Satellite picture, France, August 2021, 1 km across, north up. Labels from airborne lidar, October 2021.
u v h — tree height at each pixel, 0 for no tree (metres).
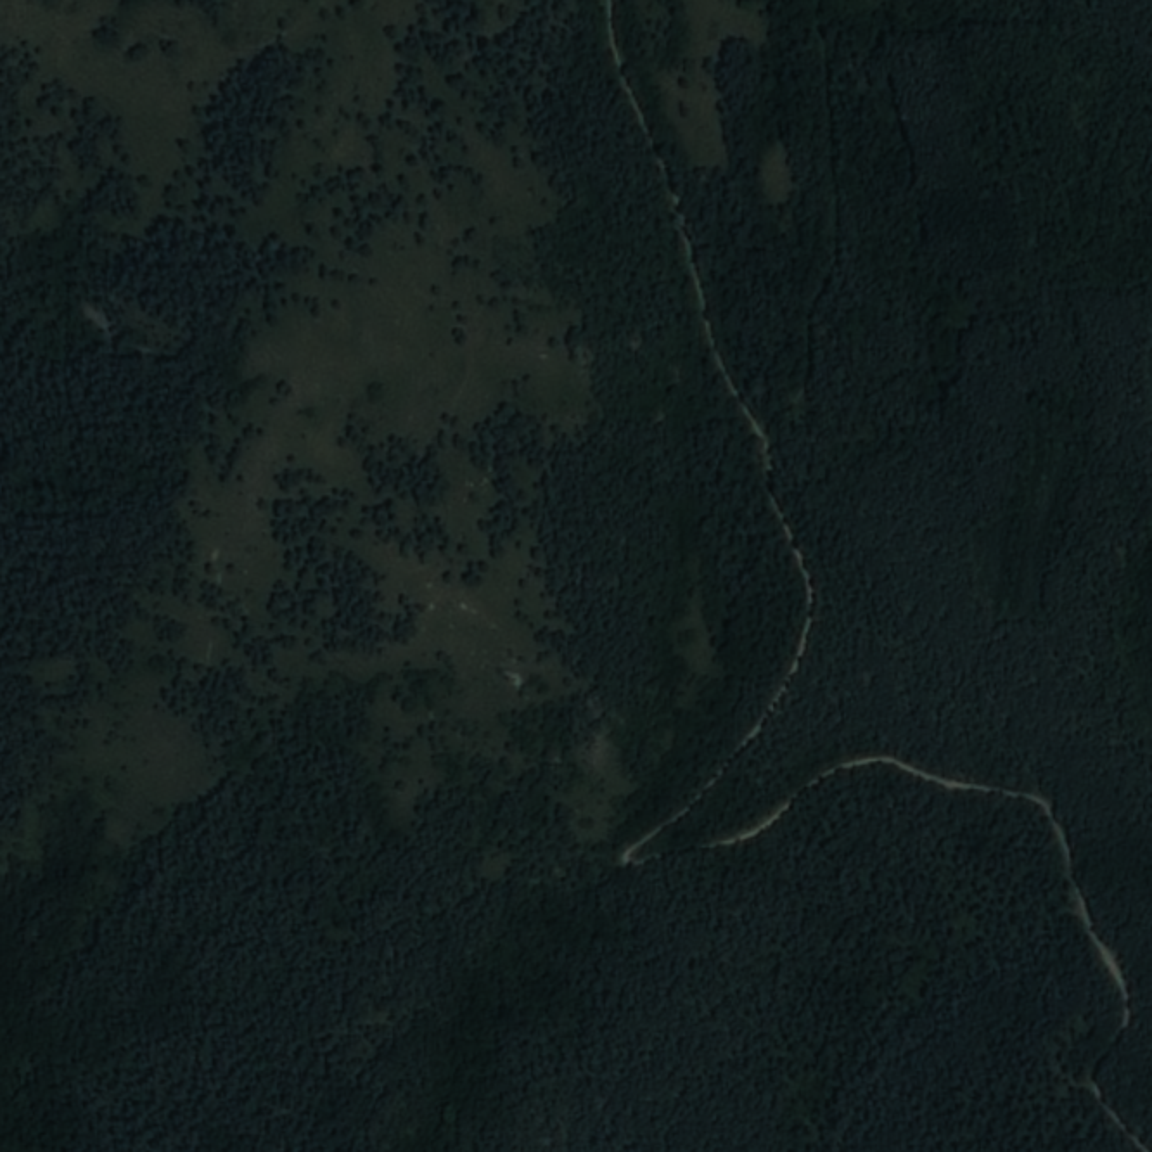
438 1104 9
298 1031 15
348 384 0
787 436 16
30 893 9
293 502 8
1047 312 17
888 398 17
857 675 12
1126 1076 18
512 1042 18
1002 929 14
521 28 8
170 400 14
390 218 7
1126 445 14
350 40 0
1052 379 17
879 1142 12
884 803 15
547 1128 9
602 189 10
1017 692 10
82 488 7
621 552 13
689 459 12
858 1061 10
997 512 17
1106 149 13
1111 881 19
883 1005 8
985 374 19
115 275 6
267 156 9
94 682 8
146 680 0
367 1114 14
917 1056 12
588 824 6
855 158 16
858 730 11
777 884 12
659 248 11
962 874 9
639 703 11
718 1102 16
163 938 15
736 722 14
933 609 14
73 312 9
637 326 11
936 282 23
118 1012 7
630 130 17
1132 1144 7
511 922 13
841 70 16
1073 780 13
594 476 8
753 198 12
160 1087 9
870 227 17
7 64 7
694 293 6
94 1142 11
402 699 9
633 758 8
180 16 0
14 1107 7
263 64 12
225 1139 9
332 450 0
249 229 0
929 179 25
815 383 14
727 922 15
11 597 13
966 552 14
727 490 17
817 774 9
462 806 9
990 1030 10
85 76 0
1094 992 8
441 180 10
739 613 9
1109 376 16
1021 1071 10
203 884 11
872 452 12
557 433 11
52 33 0
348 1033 8
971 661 12
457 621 0
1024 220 14
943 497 19
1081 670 13
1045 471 8
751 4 9
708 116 0
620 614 14
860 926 11
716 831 12
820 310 13
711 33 0
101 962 10
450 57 14
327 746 6
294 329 0
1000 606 6
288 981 6
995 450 16
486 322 0
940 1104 11
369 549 0
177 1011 7
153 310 10
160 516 11
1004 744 10
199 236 11
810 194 11
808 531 13
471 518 0
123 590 9
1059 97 16
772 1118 16
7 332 5
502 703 0
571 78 13
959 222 20
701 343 7
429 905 16
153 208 0
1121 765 15
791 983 9
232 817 17
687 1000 17
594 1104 11
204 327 10
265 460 0
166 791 0
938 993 14
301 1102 16
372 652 8
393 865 12
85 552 11
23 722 11
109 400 17
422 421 0
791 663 7
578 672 7
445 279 0
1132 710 15
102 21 7
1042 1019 11
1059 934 10
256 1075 11
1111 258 6
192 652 0
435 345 0
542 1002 8
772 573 17
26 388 8
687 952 17
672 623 6
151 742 0
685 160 8
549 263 5
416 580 0
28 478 7
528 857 6
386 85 0
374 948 11
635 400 16
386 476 11
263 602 0
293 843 10
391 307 0
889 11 7
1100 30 16
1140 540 19
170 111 0
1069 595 18
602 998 10
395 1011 14
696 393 7
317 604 13
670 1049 15
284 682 7
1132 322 18
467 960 14
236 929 15
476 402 0
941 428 17
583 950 9
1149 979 16
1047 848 15
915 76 21
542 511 8
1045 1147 12
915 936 10
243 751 6
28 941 14
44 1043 14
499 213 0
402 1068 16
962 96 20
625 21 10
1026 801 11
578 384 0
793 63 13
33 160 7
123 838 0
